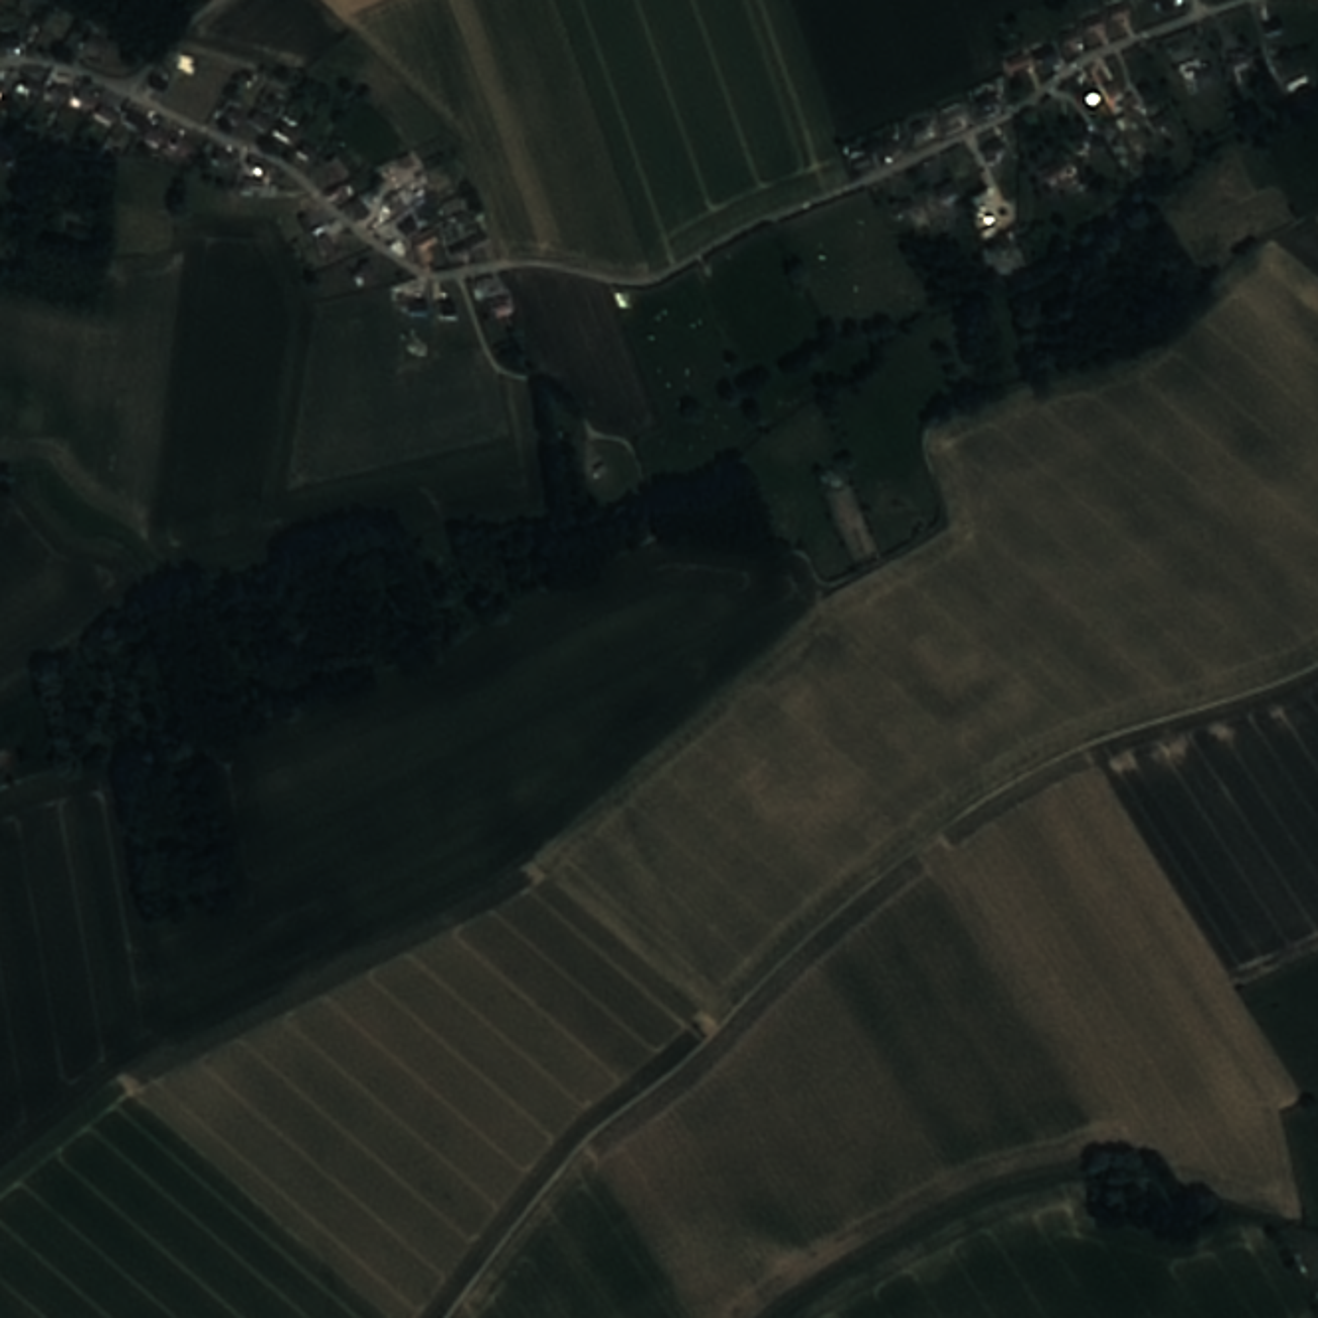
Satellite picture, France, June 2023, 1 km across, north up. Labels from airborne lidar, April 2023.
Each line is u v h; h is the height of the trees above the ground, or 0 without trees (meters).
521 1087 0
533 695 0
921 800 0
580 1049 0
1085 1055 0
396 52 0
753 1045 0
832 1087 0
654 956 0
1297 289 0
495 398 0
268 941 0
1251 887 0
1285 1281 0
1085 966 0
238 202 0
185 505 0
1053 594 0
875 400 0
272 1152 0
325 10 0
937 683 0
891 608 0
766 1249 0
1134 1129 0
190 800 19
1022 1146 0
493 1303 0
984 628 0
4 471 14
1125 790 0
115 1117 0
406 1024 0
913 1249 0
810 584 0
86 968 0
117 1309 0
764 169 0
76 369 0
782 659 0
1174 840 0
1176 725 0
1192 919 0
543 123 0
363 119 0
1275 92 14
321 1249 0
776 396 0
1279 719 0
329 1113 0
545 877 0
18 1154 0
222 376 0
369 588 32
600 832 0
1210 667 0
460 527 13
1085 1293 0
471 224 0
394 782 0
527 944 0
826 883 0
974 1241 0
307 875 0
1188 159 0
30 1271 0
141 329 0
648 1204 0
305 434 0
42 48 7
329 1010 0
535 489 0
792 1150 0
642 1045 0
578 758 0
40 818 0
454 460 0
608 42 0
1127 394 0
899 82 0
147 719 20
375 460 0
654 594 0
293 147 6
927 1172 0
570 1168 0
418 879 0
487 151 0
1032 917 0
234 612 21
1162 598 0
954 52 0
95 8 16
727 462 7
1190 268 24
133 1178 0
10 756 0
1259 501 0
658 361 0
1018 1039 0
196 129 0
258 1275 0
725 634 0
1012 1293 0
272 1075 0
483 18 0
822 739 0
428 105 0
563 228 0
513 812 0
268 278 0
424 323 0
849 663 0
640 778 0
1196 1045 0
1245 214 0
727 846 0
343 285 0
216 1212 0
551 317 0
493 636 0
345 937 0
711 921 0
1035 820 0
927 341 0
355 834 0
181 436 0
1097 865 0
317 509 0
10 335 0
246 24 0
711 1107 0
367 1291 0
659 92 0
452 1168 0
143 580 0
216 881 15
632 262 0
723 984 0
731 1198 0
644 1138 0
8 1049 0
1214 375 0
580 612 0
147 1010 0
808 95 0
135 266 0
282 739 0
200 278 0
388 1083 0
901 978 0
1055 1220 0
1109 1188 19
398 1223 0
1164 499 0
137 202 0
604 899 0
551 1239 0
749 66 0
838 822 0
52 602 0
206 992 0
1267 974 0
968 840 0
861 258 0
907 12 0
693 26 0
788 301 0
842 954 0
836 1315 0
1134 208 21
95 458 0
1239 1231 0
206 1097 0
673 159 0
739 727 0
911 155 0
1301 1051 0
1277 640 0
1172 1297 0
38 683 14
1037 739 0
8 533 0
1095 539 0
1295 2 0
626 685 0
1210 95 0
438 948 0
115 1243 0
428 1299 0
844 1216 0
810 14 0
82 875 0
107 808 0
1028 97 0
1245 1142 0
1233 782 0
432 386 0
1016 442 0
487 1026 0
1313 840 0
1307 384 0
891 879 0
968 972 0
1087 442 0
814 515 0
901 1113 0
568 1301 0
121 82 0
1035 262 11
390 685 0
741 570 0
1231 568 0
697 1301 0
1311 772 0
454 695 0
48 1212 0
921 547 0
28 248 15
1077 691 0
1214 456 0
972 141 0
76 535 0
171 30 18
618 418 0
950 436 0
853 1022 0
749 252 0
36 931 0
